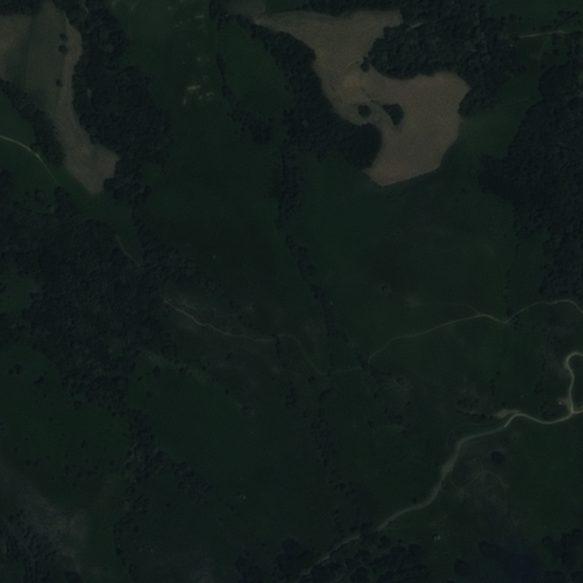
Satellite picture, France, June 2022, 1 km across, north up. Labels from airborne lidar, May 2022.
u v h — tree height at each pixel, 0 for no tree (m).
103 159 0
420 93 0
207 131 0
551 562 0
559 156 14
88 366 15
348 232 0
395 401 0
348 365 0
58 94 0
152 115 16
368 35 0
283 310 0
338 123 8
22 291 0
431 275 0
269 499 0
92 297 20
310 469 0
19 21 0
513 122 0
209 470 0
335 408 0
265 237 0
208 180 0
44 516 0
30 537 9
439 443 0
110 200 0
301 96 14
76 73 8
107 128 19
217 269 0
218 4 11
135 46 0
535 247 0
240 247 0
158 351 12
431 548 0
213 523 0
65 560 6
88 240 13
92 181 0
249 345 0
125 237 0
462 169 0
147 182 0
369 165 12
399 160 0
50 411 0
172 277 12
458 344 0
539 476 0
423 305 0
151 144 17
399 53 15
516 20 17
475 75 22
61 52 9
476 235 0
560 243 14
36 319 13
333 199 0
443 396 0
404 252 0
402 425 6
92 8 18
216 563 0
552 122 22
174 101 0
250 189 0
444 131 0
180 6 0
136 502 10
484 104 13
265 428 0
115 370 19
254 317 0
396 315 0
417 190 0
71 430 0
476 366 0
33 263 16
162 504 0
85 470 0
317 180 0
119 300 20
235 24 8
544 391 6
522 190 22
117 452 0
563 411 0
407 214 0
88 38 14
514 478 0
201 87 0
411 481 0
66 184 0
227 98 7
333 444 8
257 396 0
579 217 8
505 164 18
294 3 0
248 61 0
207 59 0
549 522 0
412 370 0
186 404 0
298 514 0
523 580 13
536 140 22
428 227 0
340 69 0
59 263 17
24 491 0
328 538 0
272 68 0
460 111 7
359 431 0
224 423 0
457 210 0
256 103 0
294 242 6
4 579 0
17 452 8
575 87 22
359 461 0
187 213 0
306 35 0
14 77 0
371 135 17
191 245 0
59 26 0
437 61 8
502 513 0
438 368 0
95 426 0
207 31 0
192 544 0
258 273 0
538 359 0
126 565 11
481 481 0
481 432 0
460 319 0
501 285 0
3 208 17
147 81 10
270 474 0
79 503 0
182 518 0
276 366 0
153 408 0
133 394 0
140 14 0
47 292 13
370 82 0
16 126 0
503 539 0
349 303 0
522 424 0
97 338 13
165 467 7
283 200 13
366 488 0
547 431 0
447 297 0
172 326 0
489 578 0
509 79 15
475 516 0
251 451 0
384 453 0
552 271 11
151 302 10
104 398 13
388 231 0
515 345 0
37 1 20
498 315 0
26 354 0
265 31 9
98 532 0
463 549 0
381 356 0
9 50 0
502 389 0
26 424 0
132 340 15
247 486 0
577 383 0
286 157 13
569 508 0
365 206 0
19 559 16
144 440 21
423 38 21
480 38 20
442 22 8
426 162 0
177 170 0
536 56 0
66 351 18
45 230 19
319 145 13
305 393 0
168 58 0
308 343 0
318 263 0
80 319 16
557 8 0
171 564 0
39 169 0
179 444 0
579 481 0
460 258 0
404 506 0
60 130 0
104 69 20
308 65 11
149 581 0
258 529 0
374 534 19
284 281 0
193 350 0
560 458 0
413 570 28
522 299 0
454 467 0
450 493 0
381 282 0
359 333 0
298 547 29
